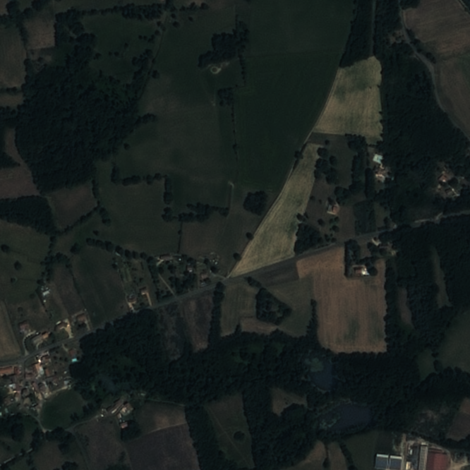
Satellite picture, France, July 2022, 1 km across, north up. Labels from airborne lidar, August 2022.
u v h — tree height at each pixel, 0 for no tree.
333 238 7
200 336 0
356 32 12
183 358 10
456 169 18
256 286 12
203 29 0
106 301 0
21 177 0
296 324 0
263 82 0
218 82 0
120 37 0
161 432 0
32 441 0
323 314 0
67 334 0
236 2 0
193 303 0
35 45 0
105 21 0
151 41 12
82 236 0
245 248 0
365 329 0
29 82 16
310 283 0
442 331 10
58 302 0
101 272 0
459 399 7
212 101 0
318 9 0
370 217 6
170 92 0
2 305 0
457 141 10
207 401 8
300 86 0
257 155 0
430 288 19
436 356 18
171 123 0
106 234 0
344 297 0
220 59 19
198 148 0
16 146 10
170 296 10
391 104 14
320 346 13
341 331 0
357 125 0
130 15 24
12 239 0
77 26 22
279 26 0
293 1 0
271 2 0
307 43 0
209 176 0
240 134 0
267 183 0
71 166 18
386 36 11
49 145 9
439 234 21
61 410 0
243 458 0
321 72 0
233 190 0
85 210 0
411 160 6
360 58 8
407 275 6
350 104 0
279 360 15
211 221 0
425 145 8
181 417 0
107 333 11
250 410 23
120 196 0
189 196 0
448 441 12
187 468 0
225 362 6
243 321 0
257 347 0
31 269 0
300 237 6
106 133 26
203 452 17
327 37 0
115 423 0
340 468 0
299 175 0
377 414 16
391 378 19
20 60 0
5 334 0
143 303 9
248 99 0
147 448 0
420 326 20
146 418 0
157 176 11
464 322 0
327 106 0
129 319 23
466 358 0
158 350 16
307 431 22
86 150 29
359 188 24
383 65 6
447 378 20
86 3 0
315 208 0
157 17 22
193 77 0
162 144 0
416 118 11
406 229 21
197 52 0
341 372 31
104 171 0
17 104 0
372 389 30
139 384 14
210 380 18
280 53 0
